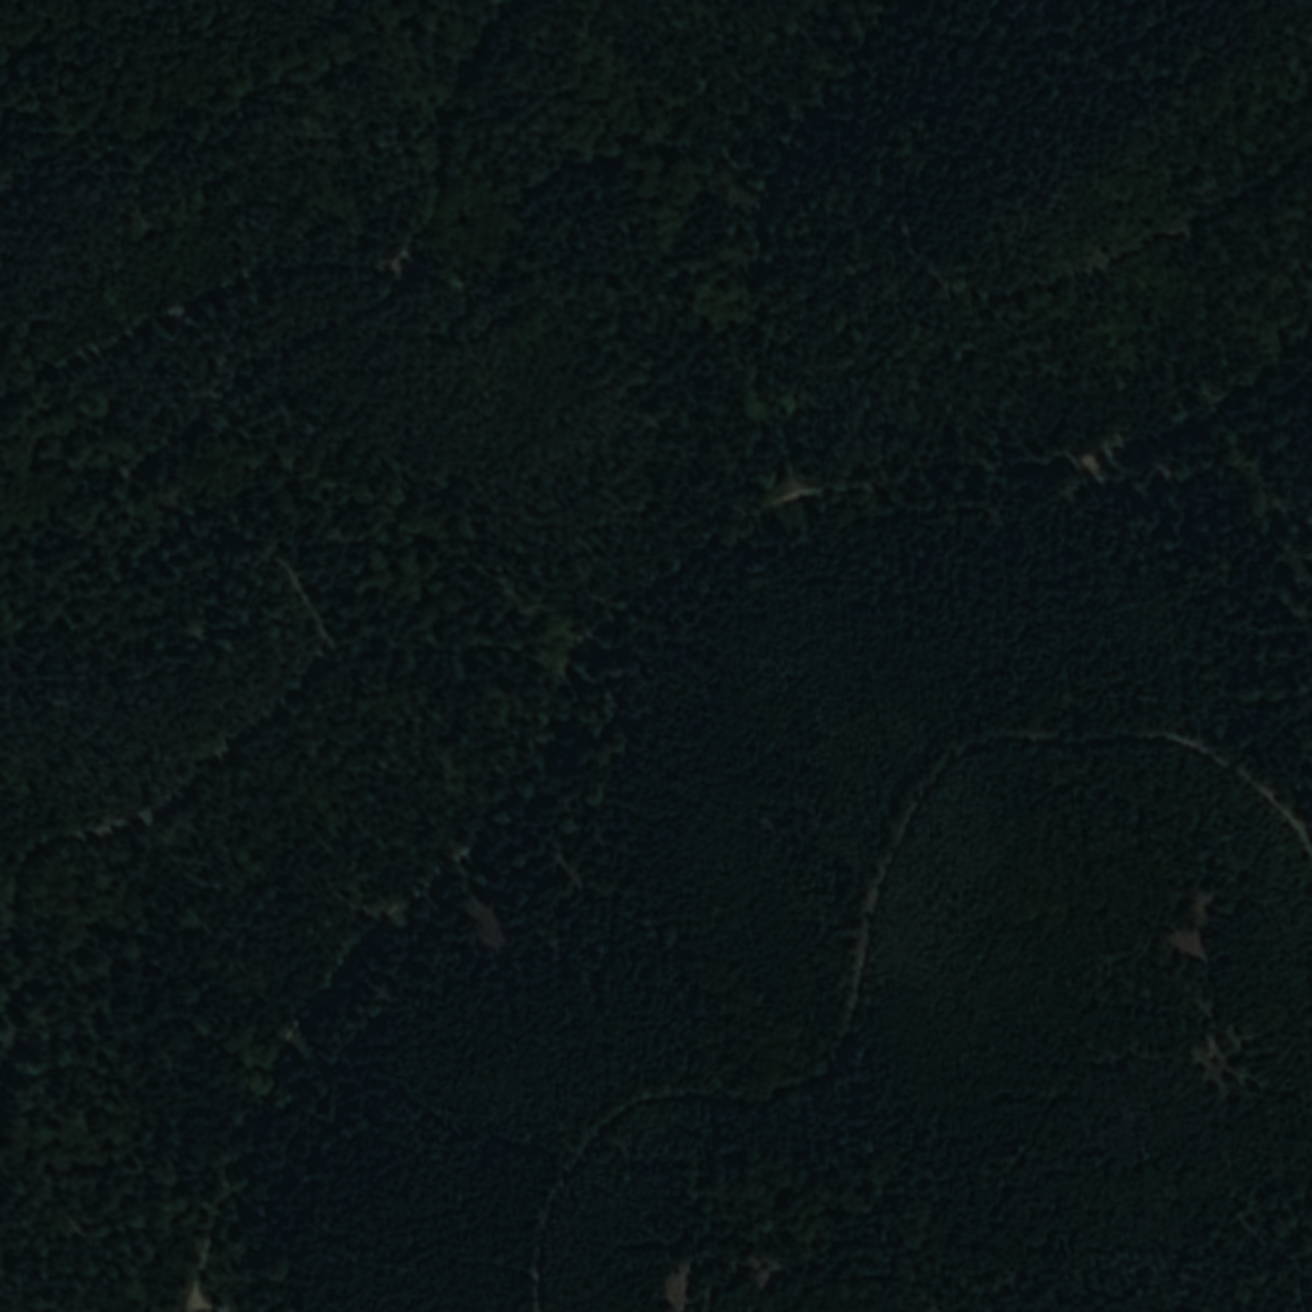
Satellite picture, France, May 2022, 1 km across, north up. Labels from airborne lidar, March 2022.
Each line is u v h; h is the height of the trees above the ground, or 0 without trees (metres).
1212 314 26
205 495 28
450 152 31
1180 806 14
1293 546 32
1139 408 22
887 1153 20
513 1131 10
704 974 21
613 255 32
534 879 17
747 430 28
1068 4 33
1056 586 14
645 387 24
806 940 12
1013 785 13
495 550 21
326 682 29
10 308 22
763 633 10
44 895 27
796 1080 16
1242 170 19
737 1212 24
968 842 7
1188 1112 12
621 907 13
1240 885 11
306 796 22
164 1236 24
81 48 30
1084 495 39
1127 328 9
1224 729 9
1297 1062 13
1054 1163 15
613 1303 14
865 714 13
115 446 30
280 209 21
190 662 35
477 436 22
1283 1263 21
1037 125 26
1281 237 30
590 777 17
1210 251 26
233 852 15
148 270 9
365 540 30
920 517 9
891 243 17
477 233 33
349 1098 25
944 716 15
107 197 32
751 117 27
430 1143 20
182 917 30
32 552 32
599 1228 14
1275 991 15
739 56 30
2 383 18
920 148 28
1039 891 14
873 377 16
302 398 32
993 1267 11
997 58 26
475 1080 14
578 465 13
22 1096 35
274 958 33
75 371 35
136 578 43
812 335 16
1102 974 8
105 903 31
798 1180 24
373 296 30
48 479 30
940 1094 13
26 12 28
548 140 30
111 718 32
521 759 41
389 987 23
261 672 27
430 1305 16
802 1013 15
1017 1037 15
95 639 32
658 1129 8
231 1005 28
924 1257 12
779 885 9
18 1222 25
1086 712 9
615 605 15
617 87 29
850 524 15
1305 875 7
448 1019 13
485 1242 16
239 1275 20
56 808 16
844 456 20
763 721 11
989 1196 21
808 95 23
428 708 31
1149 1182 12
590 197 31
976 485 44
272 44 21
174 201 29
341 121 29
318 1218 16
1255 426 29
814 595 11
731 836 11
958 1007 11
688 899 17
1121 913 12
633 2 22
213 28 22
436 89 20
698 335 38
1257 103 16
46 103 27
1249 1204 11
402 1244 15
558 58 35
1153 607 9
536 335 26
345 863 23
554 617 16
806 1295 16
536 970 20
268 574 32
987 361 23
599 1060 17
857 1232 18
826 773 10
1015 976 10
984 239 10
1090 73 31
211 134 33
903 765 7
